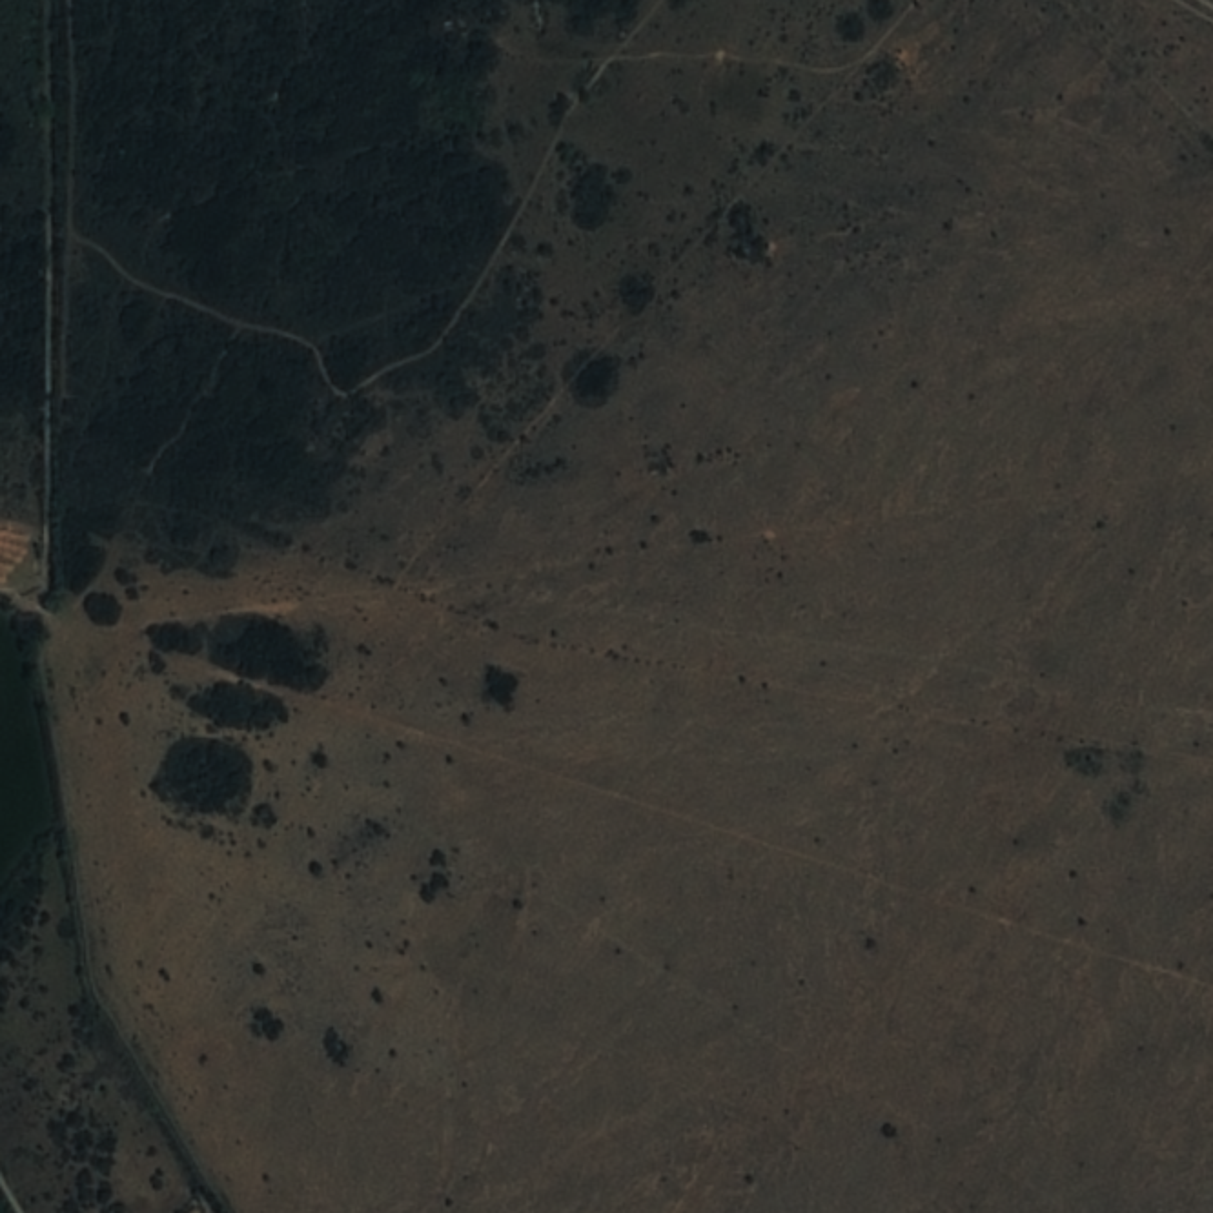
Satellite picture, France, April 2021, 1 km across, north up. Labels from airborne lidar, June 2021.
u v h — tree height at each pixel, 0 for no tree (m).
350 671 0
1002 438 0
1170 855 0
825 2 0
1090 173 0
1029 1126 0
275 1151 0
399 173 6
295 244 6
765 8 0
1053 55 0
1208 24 0
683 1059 0
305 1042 0
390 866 0
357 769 0
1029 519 0
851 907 0
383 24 6
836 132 0
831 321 0
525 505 0
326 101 7
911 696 0
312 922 0
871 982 0
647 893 0
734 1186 0
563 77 0
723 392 0
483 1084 0
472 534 0
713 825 0
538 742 0
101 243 0
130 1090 0
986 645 0
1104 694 0
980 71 0
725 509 0
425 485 0
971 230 0
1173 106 0
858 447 0
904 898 0
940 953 0
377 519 0
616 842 0
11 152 7
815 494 0
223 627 0
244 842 0
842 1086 0
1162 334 0
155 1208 0
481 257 0
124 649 0
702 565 0
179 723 0
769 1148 0
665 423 0
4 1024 0
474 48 9
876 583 0
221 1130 0
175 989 0
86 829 0
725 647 0
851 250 0
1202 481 0
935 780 0
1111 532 0
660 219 0
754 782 0
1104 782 0
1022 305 0
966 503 0
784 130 0
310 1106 0
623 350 0
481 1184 0
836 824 0
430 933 0
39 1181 0
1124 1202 0
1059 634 0
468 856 0
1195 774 0
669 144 0
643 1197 0
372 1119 0
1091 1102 0
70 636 0
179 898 0
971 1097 0
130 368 0
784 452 0
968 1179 0
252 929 0
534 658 0
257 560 0
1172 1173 0
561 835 0
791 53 0
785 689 0
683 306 0
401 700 0
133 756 0
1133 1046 0
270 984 0
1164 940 0
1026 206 0
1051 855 0
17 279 6
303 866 0
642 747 0
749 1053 0
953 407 0
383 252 6
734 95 0
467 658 0
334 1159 0
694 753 0
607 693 0
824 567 0
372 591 0
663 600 0
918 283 0
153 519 0
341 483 0
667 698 0
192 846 0
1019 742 0
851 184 0
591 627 0
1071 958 0
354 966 0
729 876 0
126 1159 0
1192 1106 0
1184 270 0
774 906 0
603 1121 0
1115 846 0
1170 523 0
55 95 7
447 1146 0
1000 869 0
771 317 0
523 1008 0
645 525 0
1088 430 0
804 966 0
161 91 6
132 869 0
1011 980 0
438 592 0
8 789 0
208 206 5
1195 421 0
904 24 0
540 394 0
